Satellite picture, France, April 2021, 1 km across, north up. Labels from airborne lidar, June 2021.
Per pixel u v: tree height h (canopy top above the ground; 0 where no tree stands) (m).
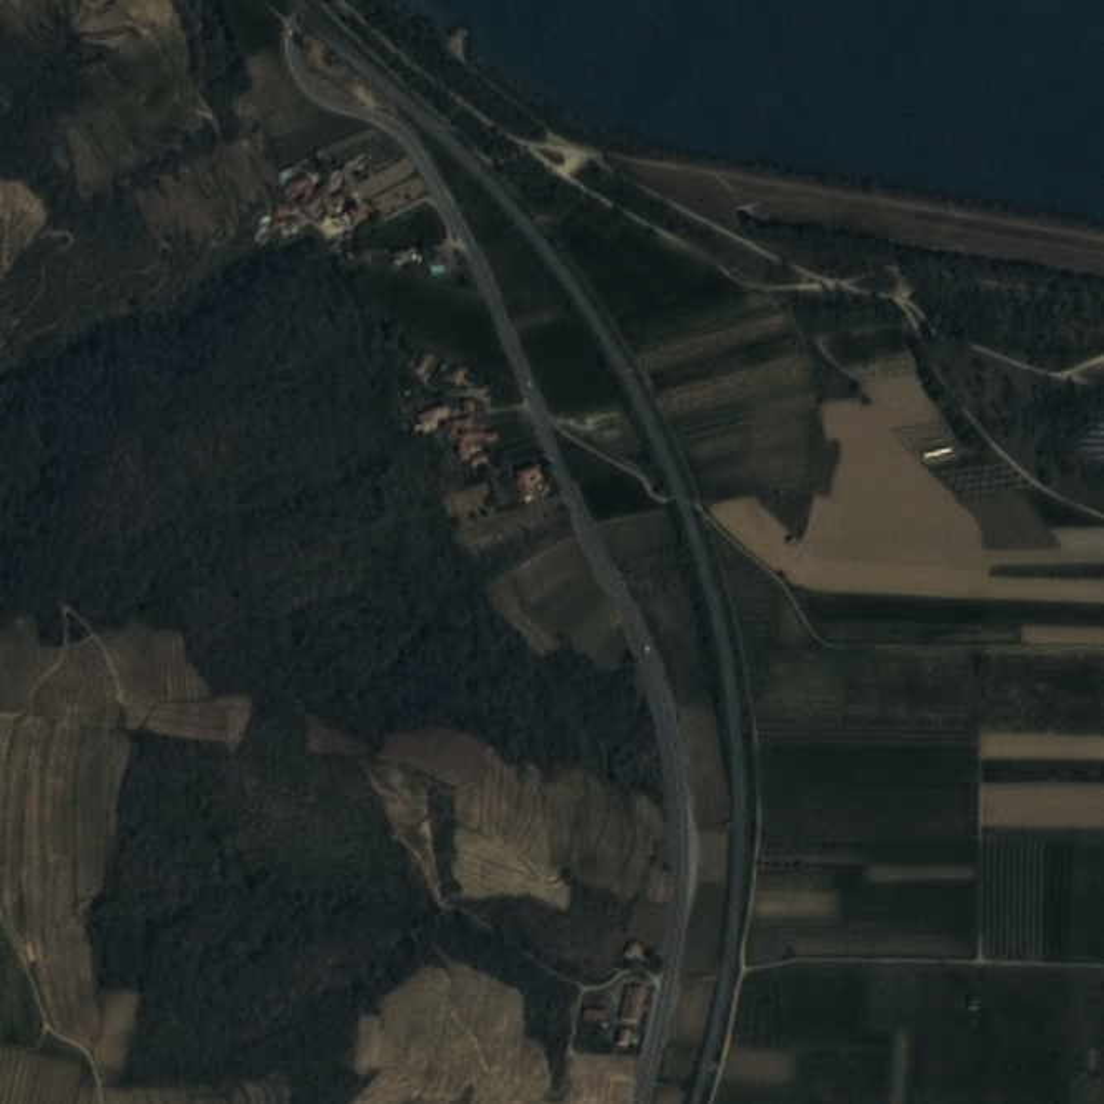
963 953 0
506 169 16
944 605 0
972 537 0
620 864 0
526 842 0
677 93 0
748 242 0
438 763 0
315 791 6
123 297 12
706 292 0
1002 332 14
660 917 0
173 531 16
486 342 0
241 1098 0
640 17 0
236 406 9
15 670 0
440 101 14
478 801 0
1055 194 0
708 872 0
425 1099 0
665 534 0
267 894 21
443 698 10
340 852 7
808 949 0
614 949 0
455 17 0
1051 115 0
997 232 0
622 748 6
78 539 13
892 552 0
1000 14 0
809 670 0
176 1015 12
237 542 12
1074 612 0
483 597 13
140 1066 9
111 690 0
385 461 8
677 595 0
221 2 6
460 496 0
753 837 6
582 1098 0
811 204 0
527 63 0
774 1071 0
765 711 0
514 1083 0
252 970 11
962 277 17
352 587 7
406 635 19
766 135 0
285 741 9
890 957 0
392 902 15
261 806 7
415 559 13
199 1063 14
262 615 13
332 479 10
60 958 0
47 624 9
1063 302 11
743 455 0
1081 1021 0
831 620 0
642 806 0
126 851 9
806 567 0
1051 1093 0
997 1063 0
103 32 0
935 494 0
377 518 11
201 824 12
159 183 6
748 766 8
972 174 0
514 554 11
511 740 14
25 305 7
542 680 12
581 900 6
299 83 0
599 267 0
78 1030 0
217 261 8
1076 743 0
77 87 12
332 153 0
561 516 12
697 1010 0
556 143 0
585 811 0
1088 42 0
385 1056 0
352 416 14
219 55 19
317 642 21
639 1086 0
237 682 10
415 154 0
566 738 14
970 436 10
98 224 10
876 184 9
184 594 14
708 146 0
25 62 14
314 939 15
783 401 0
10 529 19
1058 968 0
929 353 21
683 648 0
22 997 0
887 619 0
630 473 0
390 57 13
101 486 12
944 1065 0
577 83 0
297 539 12
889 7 0
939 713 0
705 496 0
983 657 0
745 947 0
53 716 0
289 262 7
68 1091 0
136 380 11
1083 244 0
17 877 0
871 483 0
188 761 13
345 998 16
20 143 12
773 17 0
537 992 10
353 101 0
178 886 9
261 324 10
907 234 0
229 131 19
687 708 0
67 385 14
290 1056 12
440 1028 0
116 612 15
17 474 16
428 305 0
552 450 0
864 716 0
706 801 0
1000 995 0
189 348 10
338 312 16
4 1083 0
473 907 7
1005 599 0
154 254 7
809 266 0
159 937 22
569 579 0
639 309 0
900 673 0
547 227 0
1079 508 0
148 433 12
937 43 0
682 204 0
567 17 0
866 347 0
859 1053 0
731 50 0
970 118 0
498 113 13
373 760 0
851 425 0
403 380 15
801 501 0
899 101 0
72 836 0
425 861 0
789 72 0
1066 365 6
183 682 0
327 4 16
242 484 20
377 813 10
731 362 0
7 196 0
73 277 7
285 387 12
